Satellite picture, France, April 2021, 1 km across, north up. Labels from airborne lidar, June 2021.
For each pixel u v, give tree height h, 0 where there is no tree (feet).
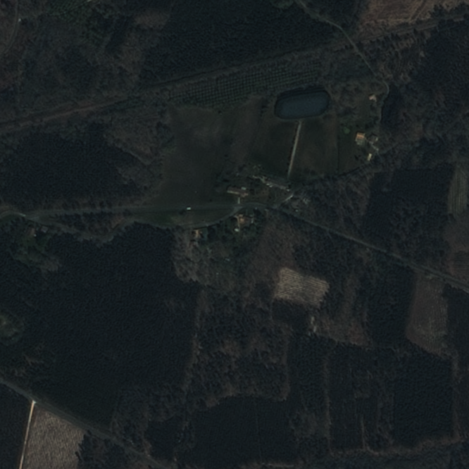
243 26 41
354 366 29
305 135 0
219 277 51
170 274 43
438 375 56
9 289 50
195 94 58
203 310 38
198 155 0
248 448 37
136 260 49
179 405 40
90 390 49
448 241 51
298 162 0
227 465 37
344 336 47
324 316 64
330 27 41
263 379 77
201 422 39
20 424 48
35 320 40
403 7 0
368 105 0
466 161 57
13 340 42
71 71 74
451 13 38
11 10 97
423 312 0
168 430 35
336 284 67
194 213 0
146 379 46
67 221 29
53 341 52
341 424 36
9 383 42
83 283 43
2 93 46
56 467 0
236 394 37
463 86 68
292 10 42
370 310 35
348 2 44
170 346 37
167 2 43
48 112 18
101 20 23
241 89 70
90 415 44
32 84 42
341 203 50
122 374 44
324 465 35
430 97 58
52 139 40
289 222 67
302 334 29
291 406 34
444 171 56
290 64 32
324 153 0
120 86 64
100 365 51
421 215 76
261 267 46
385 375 56
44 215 0
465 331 33
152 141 31
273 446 34
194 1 37
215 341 74
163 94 44
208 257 52
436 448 24
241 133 0
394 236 42
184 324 46
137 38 37
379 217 51
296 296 0
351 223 58
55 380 44
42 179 46
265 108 23
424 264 49
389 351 60
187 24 33
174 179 0
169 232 41
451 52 58
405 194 46
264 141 0
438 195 44
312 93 26
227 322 65
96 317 44
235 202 0
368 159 63
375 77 73
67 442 0
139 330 49
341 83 69
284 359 43
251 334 57
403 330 70
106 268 46
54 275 43
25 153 38
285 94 24
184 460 36
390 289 63
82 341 52
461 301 29
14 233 43
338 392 36
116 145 55
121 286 44
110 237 0
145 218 0
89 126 36
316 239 65
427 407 55
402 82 44
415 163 52
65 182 44
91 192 44
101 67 67
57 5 75
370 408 36
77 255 45
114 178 43
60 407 40
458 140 43
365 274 26
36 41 44
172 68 48
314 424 58
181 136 0
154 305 41
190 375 33
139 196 41
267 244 41
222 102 61
